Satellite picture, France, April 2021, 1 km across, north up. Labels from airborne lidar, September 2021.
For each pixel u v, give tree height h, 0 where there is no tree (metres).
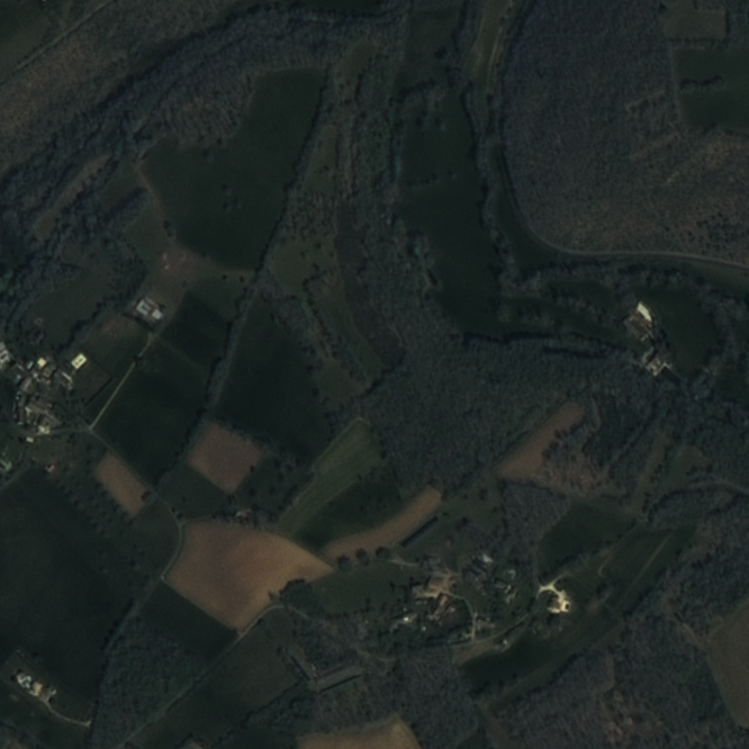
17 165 8
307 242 13
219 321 0
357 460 0
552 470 17
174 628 0
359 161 16
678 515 15
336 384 0
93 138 11
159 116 14
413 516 0
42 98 11
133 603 8
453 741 17
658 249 15
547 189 11
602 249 12
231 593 0
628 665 10
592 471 18
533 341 18
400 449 16
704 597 13
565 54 12
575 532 0
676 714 15
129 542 0
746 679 0
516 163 16
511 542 17
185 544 0
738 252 8
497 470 0
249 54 18
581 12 12
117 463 0
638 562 0
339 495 0
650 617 12
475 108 21
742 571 9
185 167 0
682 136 12
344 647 14
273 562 0
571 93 10
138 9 9
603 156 9
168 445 0
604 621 0
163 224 0
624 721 14
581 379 17
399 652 15
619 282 17
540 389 17
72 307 0
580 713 18
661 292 0
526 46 14
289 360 0
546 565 0
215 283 0
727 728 15
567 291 0
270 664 0
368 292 17
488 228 15
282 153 0
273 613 0
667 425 20
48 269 19
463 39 19
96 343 0
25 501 0
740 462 21
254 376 0
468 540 11
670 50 11
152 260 0
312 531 0
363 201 20
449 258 0
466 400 16
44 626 0
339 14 12
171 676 21
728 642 0
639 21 13
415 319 21
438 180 15
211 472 0
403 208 0
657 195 9
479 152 16
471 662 0
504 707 0
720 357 10
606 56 12
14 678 7
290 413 0
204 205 0
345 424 9
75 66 8
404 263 19
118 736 17
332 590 0
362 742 0
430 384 14
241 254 0
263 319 0
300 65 12
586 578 0
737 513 16
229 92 17
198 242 0
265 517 17
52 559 0
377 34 12
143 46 18
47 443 0
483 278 0
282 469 17
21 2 8
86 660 0
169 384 0
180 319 0
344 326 0
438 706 22
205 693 0
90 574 0
